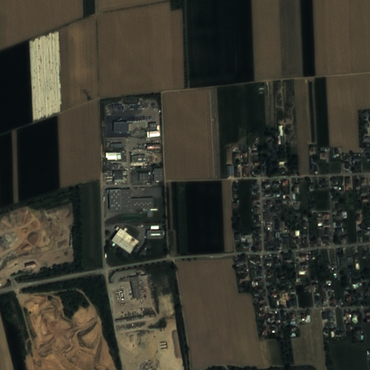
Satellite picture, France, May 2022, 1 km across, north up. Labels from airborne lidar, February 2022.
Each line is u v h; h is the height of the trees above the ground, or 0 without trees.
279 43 0
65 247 0
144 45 0
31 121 0
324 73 0
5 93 0
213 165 0
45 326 0
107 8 0
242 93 0
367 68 0
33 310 0
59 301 0
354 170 7
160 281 0
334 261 0
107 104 0
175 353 0
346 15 0
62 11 0
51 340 0
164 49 0
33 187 0
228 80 0
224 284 0
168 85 0
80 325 0
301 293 0
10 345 0
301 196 0
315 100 0
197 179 0
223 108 0
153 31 0
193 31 0
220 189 0
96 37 0
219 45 0
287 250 0
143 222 0
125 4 0
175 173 0
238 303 0
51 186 0
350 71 0
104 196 0
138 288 0
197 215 0
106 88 0
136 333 0
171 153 0
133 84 0
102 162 0
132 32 0
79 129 0
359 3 0
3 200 0
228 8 0
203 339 0
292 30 0
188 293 0
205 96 0
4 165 0
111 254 0
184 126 0
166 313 0
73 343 0
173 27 0
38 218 0
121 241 0
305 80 0
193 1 0
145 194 0
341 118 0
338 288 0
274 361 0
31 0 0
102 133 0
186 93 0
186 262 0
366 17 0
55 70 0
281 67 0
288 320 6
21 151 0
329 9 0
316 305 0
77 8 0
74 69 0
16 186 0
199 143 0
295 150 0
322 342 0
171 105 0
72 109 0
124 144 0
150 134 0
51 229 0
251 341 0
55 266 12
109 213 0
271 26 0
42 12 0
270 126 0
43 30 0
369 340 0
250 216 0
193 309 0
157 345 0
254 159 0
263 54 0
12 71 0
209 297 0
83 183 0
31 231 0
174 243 0
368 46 0
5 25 0
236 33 0
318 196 0
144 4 0
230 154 0
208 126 0
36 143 0
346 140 0
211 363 0
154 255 0
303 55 0
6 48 0
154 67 0
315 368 0
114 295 0
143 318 0
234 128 0
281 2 0
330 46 0
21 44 0
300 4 0
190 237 0
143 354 0
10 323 0
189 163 0
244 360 0
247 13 0
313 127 0
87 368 0
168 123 0
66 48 0
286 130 8
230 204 0
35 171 0
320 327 0
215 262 0
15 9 0
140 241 0
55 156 0
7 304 0
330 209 0
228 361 0
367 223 0
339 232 0
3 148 0
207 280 0
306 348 0
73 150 0
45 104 0
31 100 0
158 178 0
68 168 0
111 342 0
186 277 0
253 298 0
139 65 0
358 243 0
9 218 0
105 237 0
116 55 0
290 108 0
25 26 0
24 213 0
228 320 0
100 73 0
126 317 0
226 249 0
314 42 0
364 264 0
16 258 0
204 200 0
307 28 0
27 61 0
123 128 8
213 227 0
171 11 0
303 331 0
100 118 0
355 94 0
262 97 0
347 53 0
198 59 0
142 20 0
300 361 0
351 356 0
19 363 0
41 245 0
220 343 0
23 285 0
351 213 0
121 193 0
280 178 0
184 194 0
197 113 0
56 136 0
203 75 0
